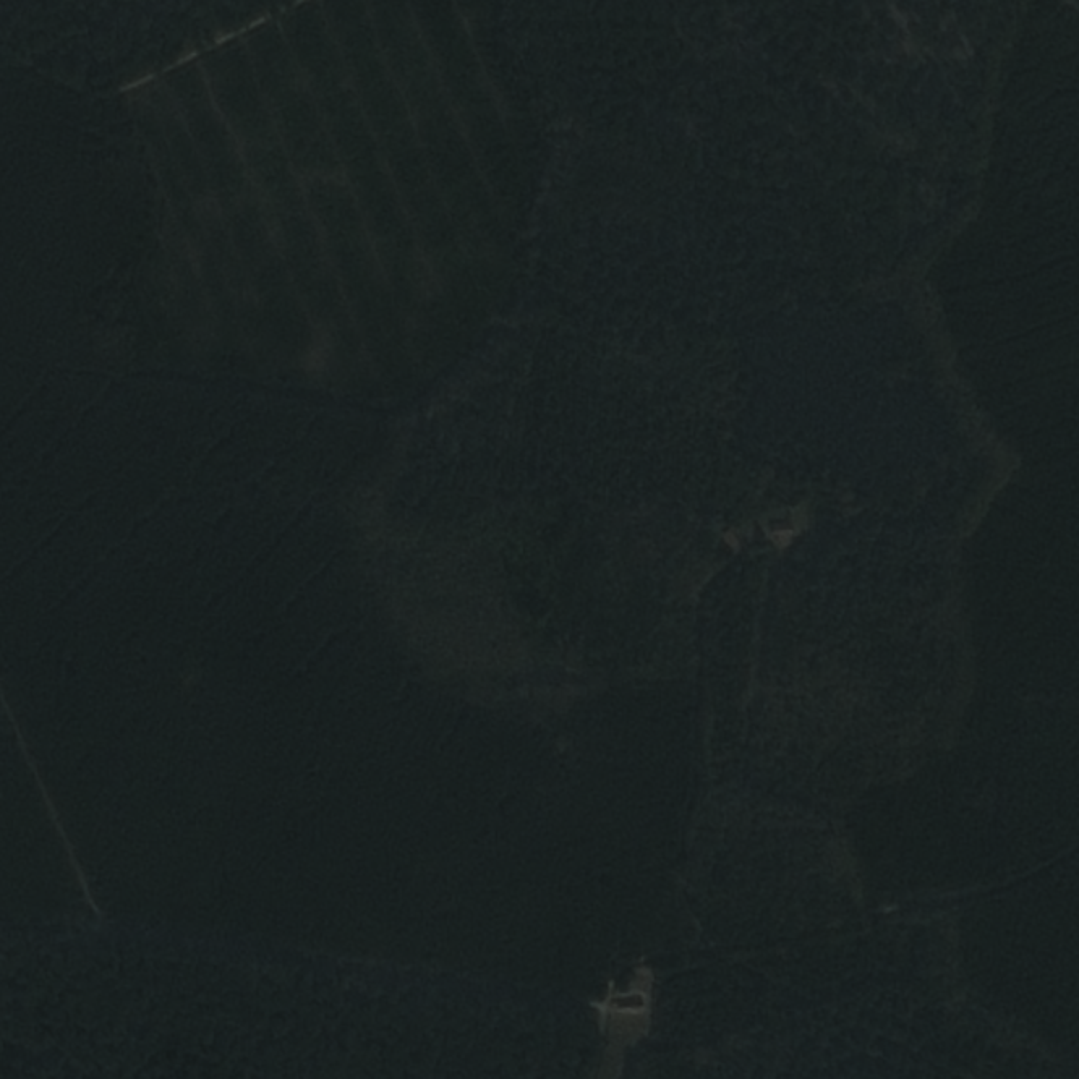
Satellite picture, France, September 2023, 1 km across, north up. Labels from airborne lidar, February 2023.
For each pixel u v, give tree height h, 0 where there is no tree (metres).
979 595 8
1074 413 10
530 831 12
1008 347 9
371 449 14
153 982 32
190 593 10
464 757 15
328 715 12
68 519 16
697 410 21
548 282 16
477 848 9
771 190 29
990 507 8
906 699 12
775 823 19
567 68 30
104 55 32
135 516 10
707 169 20
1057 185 11
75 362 14
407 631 16
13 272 16
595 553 10
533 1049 28
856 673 14
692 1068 13
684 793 15
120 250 9
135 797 12
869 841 7
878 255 29
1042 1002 12
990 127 10
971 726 11
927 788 8
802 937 18
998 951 13
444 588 20
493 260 0
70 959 32
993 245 6
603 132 26
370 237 0
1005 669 6
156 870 11
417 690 15
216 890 7
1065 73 6
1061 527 9
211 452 14
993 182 9
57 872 6
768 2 33
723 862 17
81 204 16
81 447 16
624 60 32
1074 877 13
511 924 8
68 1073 27
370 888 13
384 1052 34
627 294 10
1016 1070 13
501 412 26
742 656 9
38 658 15
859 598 24
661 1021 9
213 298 0
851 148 32
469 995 28
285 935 11
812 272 17
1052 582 9
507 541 29
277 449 13
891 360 16
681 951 15
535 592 8
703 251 15
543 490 27
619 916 8
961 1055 17
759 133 31
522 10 33
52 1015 25
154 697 11
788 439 17
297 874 11
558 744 12
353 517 16
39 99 14
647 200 18
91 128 11
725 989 11
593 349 16
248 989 34
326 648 13
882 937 8
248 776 14
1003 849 16
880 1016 24
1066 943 13
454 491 25
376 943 9
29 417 15
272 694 13
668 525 17
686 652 17
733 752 12
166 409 16
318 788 14
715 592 9
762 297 15
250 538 16
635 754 10
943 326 15
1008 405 9
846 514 7
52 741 15
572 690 13
